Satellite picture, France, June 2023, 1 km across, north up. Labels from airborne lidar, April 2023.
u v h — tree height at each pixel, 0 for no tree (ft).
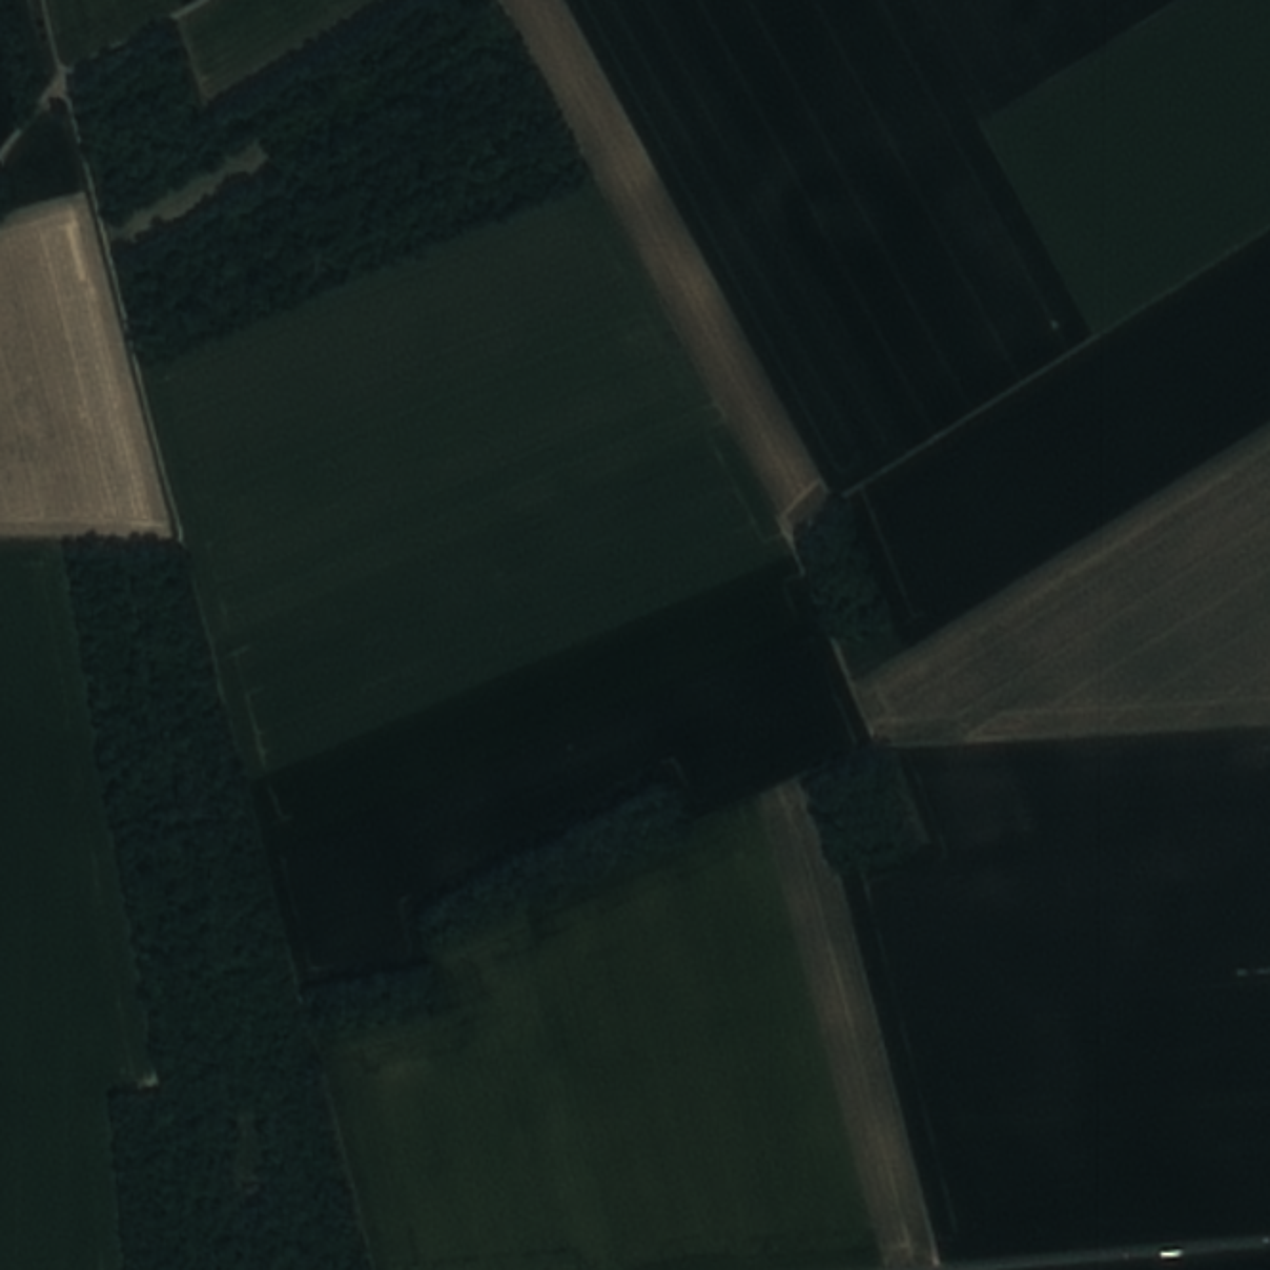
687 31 0
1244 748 0
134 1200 50
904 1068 0
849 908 0
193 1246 44
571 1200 0
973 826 0
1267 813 0
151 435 0
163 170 38
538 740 0
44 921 0
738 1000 0
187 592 54
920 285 0
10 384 0
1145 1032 0
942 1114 0
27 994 0
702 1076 0
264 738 0
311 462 0
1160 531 0
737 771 0
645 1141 0
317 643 0
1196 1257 0
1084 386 0
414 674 0
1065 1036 0
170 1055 37
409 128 50
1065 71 0
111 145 42
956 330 0
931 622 0
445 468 0
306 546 0
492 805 0
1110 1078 0
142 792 45
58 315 0
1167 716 0
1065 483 0
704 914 0
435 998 49
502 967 0
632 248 0
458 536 0
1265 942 0
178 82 48
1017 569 0
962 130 0
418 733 0
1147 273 0
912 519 0
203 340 39
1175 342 0
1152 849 0
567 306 0
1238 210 0
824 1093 0
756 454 0
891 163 0
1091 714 0
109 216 47
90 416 0
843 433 0
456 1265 0
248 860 49
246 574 0
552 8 0
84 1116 0
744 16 0
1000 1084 0
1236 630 0
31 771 0
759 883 0
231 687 0
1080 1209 0
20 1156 0
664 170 0
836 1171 0
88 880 0
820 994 0
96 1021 0
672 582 0
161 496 0
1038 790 0
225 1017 33
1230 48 0
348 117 25
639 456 0
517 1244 0
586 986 0
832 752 0
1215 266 0
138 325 49
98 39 0
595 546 0
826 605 46
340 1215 38
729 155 0
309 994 27
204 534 0
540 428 0
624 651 0
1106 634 0
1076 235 0
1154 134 0
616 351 0
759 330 0
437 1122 0
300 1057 34
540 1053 0
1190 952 0
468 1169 0
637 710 0
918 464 0
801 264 0
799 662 0
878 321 0
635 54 0
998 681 0
